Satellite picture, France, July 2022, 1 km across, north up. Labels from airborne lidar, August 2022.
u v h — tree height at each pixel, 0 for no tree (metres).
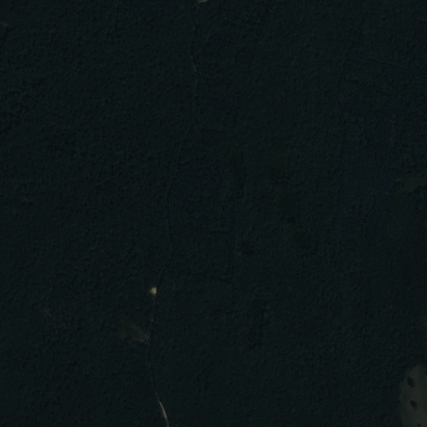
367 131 19
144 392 19
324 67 15
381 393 17
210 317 17
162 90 19
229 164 9
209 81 13
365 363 12
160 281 14
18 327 15
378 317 14
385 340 13
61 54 14
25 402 16
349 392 16
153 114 16
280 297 19
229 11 22
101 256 20
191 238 17
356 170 22
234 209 16
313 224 20
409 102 17
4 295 17
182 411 17
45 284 18
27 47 13
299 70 13
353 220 20
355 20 17
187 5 19
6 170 22
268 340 15
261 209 17
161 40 15
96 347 18
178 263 24
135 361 22
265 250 16
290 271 19
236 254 15
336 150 17
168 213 21
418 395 0
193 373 18
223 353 18
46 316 22
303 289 17
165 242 17
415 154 21
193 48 20
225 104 24
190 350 16
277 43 16
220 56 13
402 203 9
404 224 7
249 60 20
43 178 19
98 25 10
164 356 17
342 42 18
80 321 21
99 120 17
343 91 21
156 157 19
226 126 13
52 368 19
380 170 22
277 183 18
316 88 15
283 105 18
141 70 17
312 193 13
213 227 16
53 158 16
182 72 17
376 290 8
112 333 13
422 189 20
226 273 22
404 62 17
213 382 18
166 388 14
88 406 16
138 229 15
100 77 19
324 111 15
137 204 18
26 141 18
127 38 15
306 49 20
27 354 19
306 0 16
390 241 7
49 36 23
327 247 18
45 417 18
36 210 19
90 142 19
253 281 19
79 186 18
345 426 14
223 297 13
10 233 18
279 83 18
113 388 18
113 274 16
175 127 15
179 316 18
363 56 21
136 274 17
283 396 18
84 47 19
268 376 14
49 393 16
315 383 18
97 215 18
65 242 18
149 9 25
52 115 20
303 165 15
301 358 21
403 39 20
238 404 21
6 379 16
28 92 18
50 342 16
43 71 20
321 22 16
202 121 14
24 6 17
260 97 17
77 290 17
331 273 18
